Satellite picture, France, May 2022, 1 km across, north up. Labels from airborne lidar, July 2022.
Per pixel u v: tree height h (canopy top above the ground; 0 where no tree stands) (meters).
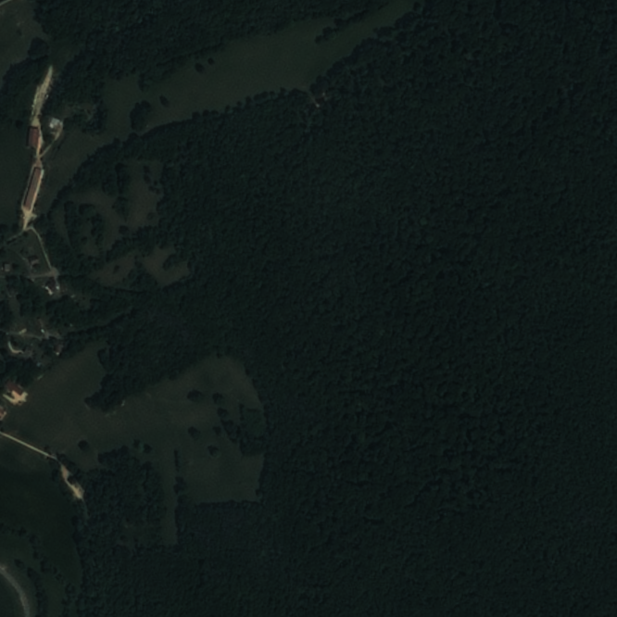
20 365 14
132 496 16
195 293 16
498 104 20
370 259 22
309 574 18
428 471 19
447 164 20
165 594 9
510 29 22
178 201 7
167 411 0
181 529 15
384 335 18
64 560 0
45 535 0
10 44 0
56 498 0
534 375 18
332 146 17
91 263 7
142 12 19
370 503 20
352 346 20
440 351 20
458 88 19
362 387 18
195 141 17
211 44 10
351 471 20
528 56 26
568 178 16
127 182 20
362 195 16
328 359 19
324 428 18
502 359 15
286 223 17
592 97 27
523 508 18
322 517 20
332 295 20
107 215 0
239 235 16
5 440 0
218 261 18
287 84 0
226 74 0
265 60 0
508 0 25
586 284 14
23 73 18
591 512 15
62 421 0
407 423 21
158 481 20
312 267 18
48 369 8
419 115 17
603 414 13
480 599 15
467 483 21
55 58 0
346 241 14
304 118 19
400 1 0
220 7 18
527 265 18
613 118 22
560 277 14
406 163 16
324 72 0
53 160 0
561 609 17
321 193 17
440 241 20
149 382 16
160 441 0
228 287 19
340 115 18
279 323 20
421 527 18
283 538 20
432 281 22
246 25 12
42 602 16
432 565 20
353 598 17
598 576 16
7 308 10
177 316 15
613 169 17
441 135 15
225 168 18
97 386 0
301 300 19
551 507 16
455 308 18
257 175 19
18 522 0
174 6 25
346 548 21
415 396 20
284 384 15
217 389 0
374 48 17
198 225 14
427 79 21
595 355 12
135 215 0
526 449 19
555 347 16
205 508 17
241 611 14
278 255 17
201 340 12
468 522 18
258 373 10
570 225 16
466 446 27
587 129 21
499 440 25
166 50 21
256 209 17
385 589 17
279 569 20
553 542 16
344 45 0
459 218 21
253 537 20
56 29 18
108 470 18
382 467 19
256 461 0
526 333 17
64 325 7
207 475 0
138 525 14
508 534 18
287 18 20
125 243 13
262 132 17
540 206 18
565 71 24
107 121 11
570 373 14
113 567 10
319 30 0
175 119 0
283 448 19
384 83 20
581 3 20
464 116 18
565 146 23
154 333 18
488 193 19
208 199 19
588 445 14
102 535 18
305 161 18
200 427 0
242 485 0
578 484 13
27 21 0
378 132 15
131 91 0
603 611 21
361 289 19
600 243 13
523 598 16
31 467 0
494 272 18
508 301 17
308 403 17
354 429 22
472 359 20
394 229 21
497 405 24
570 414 14
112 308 14
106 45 21
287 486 15
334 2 18
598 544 14
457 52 21
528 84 20
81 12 24
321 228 17
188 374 0
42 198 0
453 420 28
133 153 18
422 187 20
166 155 20
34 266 7
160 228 9
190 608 11
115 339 18
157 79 17
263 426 8
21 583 0
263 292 22
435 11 23
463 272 20
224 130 15
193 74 0
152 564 12
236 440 19
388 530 17
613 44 33
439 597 16
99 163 16
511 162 22
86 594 16
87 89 11
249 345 17
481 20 22
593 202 16
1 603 0
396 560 18
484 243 21
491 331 18
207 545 22
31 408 0
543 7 27
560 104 23
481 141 16
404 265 26
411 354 20
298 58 0
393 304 21
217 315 11
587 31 28
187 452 0
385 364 18
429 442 27
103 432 0
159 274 0
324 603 21
